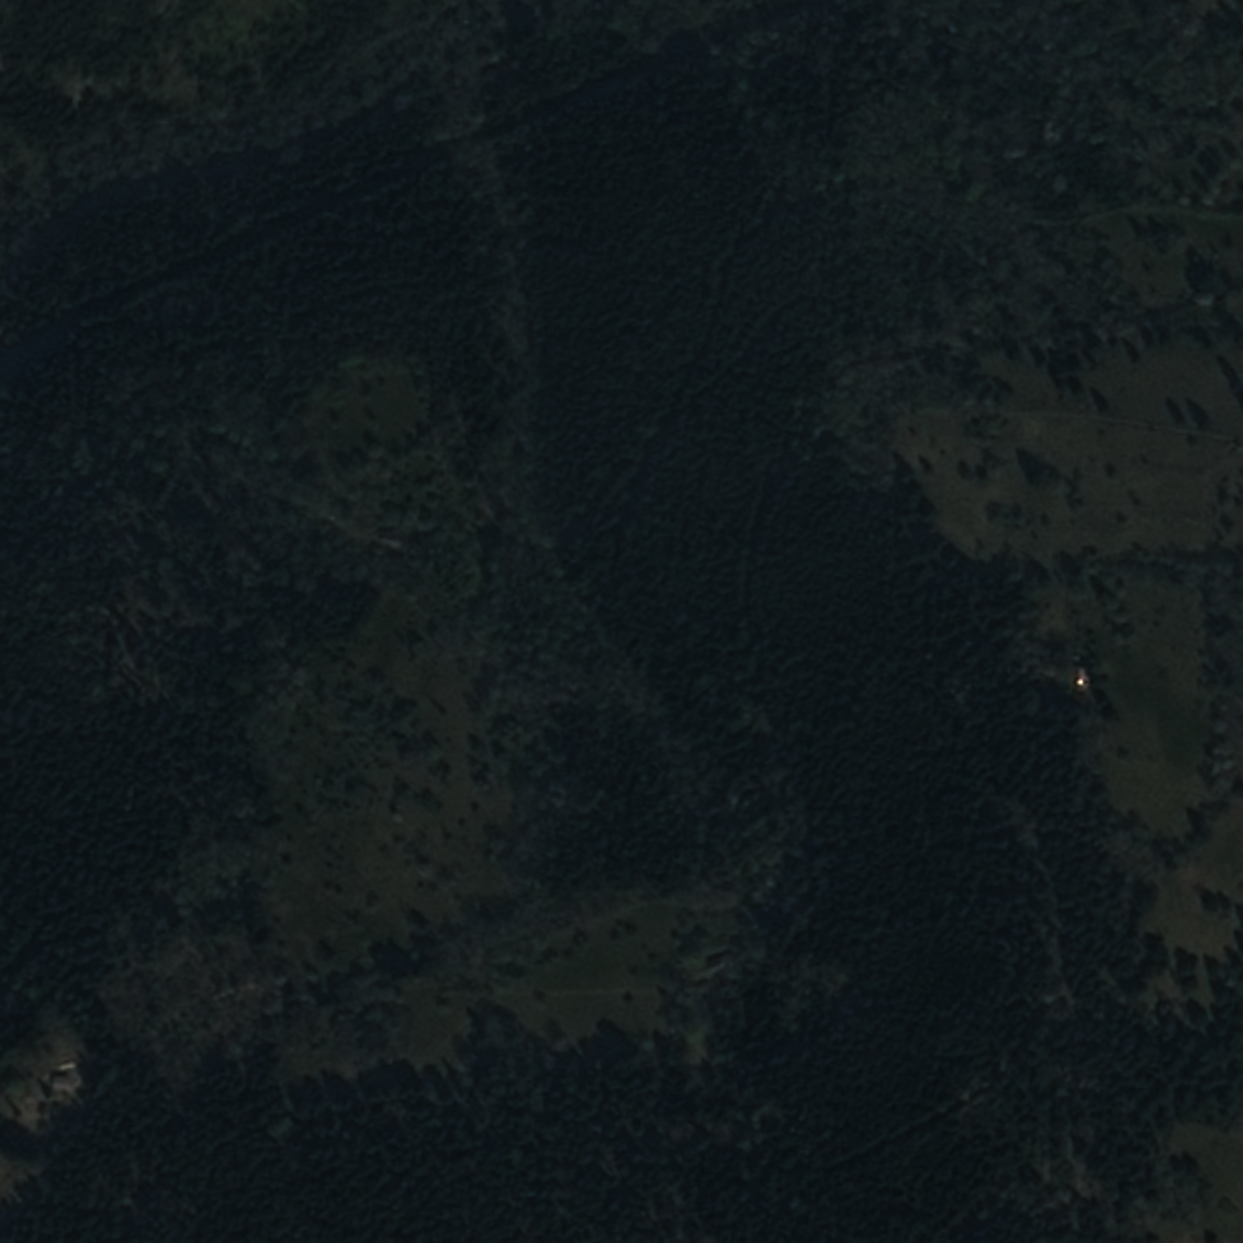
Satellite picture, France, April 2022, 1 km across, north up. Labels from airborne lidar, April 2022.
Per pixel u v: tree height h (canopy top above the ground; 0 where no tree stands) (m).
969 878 18
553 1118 32
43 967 28
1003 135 15
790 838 12
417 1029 9
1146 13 20
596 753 22
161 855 28
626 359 25
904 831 23
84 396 27
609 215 24
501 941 25
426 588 18
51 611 16
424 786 0
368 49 24
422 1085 26
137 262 21
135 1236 25
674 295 23
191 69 16
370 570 26
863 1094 25
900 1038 28
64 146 29
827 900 23
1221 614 10
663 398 27
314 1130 26
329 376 22
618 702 23
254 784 29
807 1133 32
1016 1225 22
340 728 0
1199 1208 21
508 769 9
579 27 20
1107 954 22
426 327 32
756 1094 25
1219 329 8
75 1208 28
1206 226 0
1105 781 10
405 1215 25
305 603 32
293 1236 25
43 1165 19
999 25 11
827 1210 28
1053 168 20
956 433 0
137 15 18
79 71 10
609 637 21
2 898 28
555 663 21
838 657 20
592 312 23
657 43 21
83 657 16
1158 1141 12
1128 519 8
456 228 28
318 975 12
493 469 12
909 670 16
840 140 30
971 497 0
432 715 0
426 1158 28
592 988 0
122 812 26
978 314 13
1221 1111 10
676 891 25
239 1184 27
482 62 25
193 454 32
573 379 26
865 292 14
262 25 17
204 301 30
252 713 23
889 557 23
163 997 13
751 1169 14
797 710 22
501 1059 27
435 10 25
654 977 0
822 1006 16
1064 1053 23
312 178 27
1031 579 14
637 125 26
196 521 39
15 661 24
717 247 22
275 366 32
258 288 26
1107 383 0
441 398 15
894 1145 16
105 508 31
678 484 23
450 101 25
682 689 24
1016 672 25
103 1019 26
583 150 24
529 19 22
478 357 27
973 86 26
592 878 25
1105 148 23
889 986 14
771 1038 14
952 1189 11
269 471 36
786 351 21
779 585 22
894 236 15
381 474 6
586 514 12
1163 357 0
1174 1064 28
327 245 28
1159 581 10
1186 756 0
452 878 13
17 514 19
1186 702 0
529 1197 27
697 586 19
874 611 20
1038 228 20
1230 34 18
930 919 30
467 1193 22
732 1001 15
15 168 35
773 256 22
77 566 23
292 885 0
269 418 33
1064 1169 10
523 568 24
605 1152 10
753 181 29
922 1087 18
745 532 22
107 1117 27
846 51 27
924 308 17
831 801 24
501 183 24
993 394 17
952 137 24
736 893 24
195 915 9
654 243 22
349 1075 0
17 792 29
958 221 20
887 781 22
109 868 28
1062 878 20
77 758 27
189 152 20
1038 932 26
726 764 27
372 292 35
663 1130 8
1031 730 25
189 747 30
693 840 26
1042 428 0
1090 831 26
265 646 34
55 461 26
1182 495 0
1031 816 8
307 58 21
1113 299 7
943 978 20
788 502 23
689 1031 17
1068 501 0
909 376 15
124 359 32
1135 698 0
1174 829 0
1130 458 0
